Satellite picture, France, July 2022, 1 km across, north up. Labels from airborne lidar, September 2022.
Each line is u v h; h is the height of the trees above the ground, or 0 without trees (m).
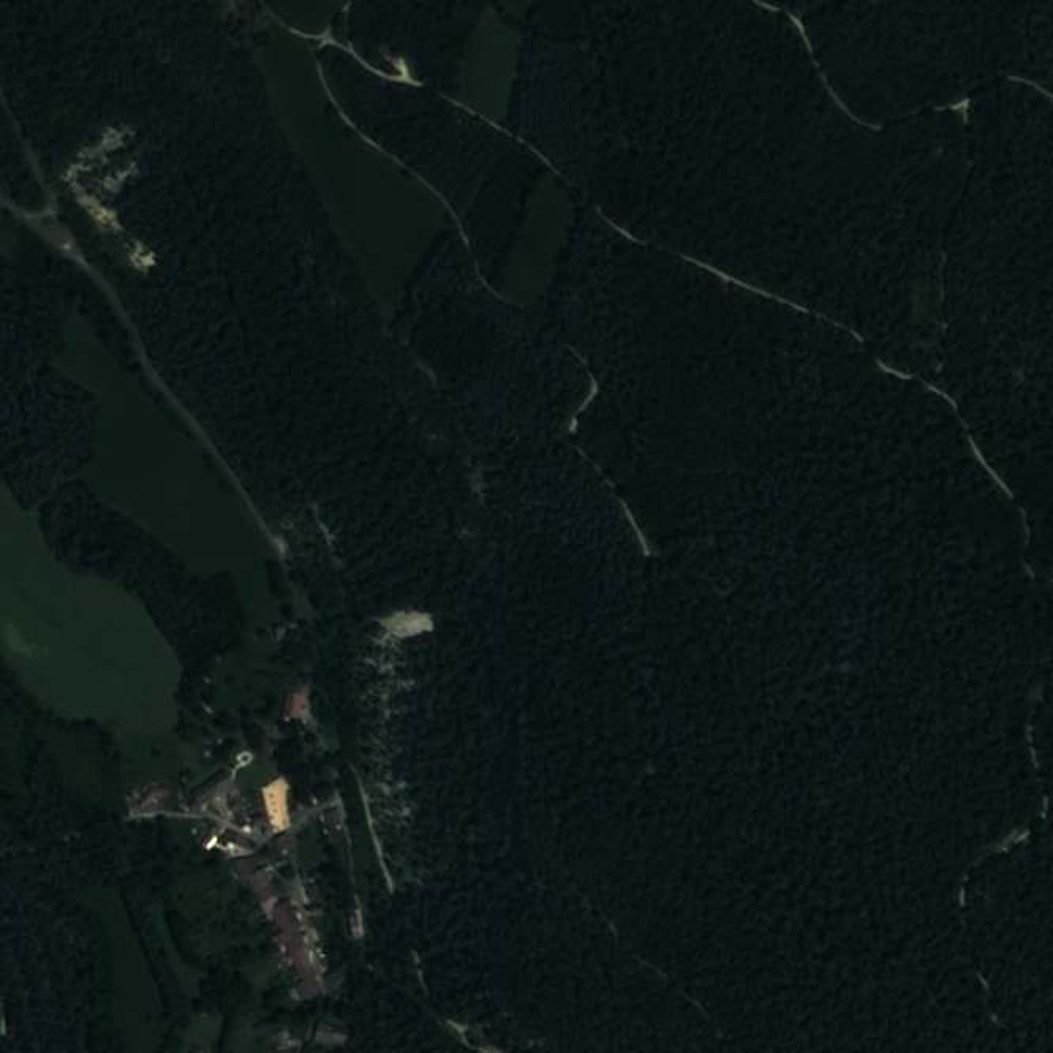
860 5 13
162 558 14
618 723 20
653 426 17
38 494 22
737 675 16
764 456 16
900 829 16
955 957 25
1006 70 24
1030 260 15
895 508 26
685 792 29
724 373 12
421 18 16
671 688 23
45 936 30
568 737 26
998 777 22
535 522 18
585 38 17
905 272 16
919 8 8
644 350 15
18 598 0
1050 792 17
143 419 0
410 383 16
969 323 8
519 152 7
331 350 27
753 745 15
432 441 7
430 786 13
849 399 22
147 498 0
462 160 19
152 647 0
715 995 18
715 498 13
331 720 26
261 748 17
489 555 12
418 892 14
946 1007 28
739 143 8
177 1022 9
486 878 25
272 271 27
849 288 16
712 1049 20
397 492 24
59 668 0
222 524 0
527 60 19
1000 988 18
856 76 12
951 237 12
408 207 0
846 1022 17
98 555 33
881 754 22
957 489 16
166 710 0
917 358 11
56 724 16
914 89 12
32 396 27
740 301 16
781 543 16
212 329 18
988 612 10
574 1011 21
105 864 13
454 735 18
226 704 0
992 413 19
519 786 44
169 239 20
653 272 12
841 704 12
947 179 9
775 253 11
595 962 16
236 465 14
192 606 12
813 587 24
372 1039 22
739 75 6
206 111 21
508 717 21
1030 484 16
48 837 30
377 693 6
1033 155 8
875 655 33
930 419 27
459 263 22
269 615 0
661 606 22
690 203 12
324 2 0
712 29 10
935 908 16
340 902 12
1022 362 26
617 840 23
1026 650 12
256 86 18
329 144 0
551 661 24
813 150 12
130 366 10
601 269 23
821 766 17
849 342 24
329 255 17
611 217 16
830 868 26
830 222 14
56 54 32
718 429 8
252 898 16
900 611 29
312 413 20
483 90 0
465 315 22
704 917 18
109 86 27
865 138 13
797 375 24
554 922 16
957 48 11
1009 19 15
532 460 13
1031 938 12
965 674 27
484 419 24
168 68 18
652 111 18
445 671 20
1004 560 16
